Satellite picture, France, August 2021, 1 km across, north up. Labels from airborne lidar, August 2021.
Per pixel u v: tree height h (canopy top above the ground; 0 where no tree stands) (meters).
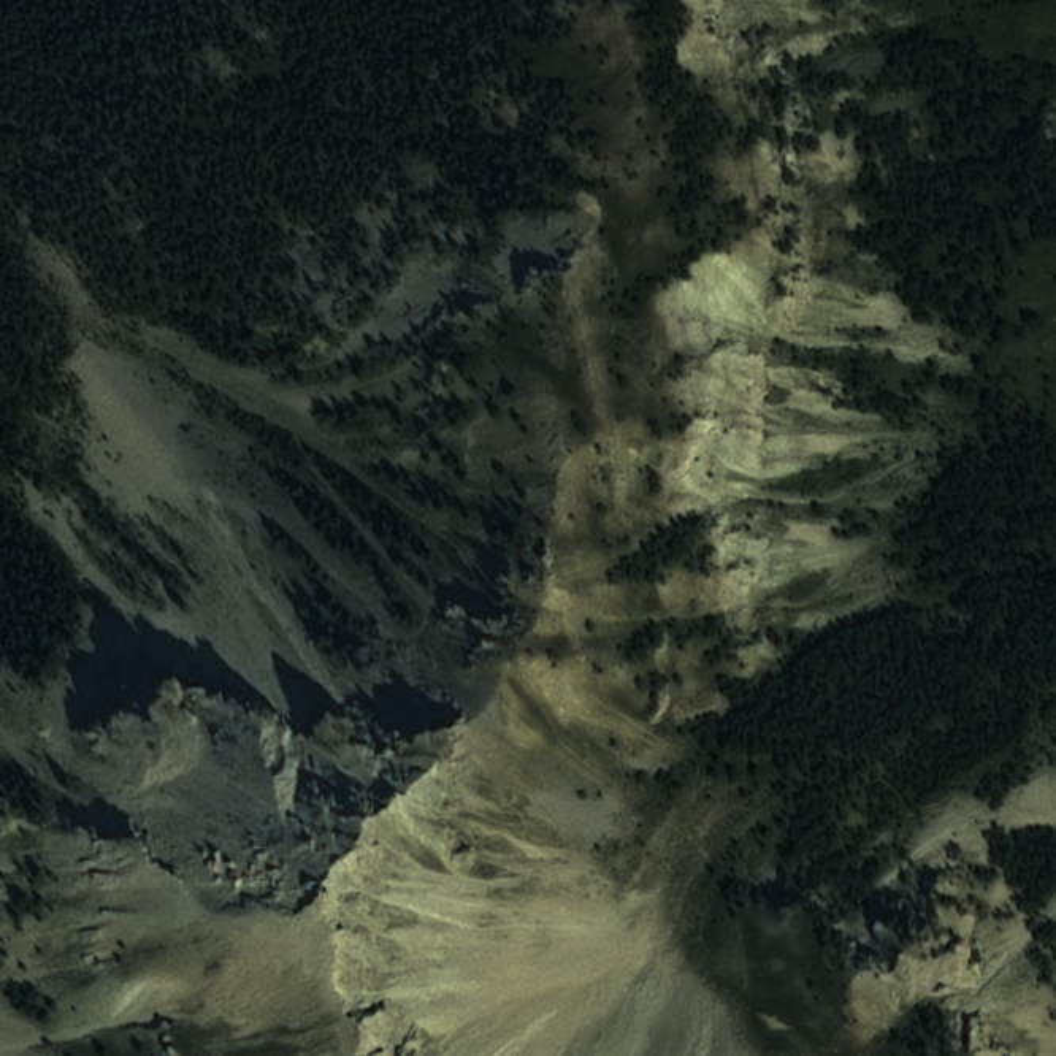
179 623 0
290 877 0
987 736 20
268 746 0
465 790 0
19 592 18
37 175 16
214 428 0
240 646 0
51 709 0
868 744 14
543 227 0
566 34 8
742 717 17
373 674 0
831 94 7
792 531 0
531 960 0
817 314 0
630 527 0
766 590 0
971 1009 0
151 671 0
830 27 0
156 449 0
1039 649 14
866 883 13
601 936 0
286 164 13
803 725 16
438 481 0
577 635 0
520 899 0
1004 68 9
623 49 0
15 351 11
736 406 0
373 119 13
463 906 0
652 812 0
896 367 0
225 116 13
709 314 0
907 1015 0
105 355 0
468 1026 0
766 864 0
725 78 0
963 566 10
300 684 0
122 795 0
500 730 0
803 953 0
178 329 6
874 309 0
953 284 20
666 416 0
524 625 0
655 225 0
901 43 11
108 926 0
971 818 0
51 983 0
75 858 0
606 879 0
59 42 15
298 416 0
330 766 0
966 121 22
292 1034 0
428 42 14
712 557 11
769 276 0
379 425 0
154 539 0
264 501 0
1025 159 20
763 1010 0
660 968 0
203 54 11
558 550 0
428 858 0
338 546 15
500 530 13
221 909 0
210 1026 0
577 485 0
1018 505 8
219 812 0
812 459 0
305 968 0
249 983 0
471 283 0
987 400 15
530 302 0
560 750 0
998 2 7
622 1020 0
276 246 12
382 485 0
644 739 0
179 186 13
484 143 17
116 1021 0
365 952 0
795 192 0
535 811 0
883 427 0
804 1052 0
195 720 0
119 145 12
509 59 12
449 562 0
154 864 0
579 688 0
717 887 0
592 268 0
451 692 0
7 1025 0
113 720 0
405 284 0
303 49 18
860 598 0
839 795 8
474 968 0
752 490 0
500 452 0
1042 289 0
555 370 0
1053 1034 0
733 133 10
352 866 0
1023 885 17
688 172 9
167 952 0
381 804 0
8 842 0
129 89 7
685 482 0
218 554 0
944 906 9
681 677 12
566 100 10
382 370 0
